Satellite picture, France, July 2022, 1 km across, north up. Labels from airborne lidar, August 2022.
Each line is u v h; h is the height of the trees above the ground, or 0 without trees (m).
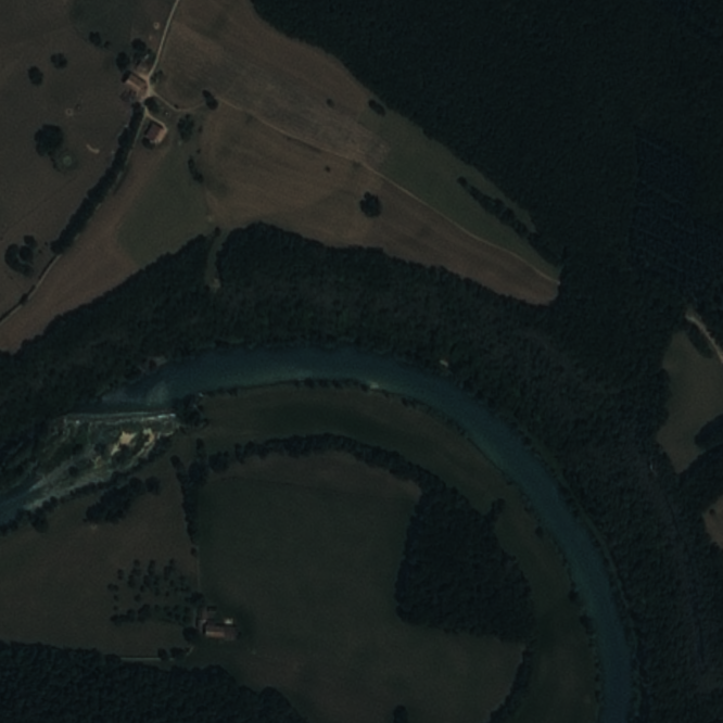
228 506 0
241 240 18
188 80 0
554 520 0
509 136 19
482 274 0
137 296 11
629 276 19
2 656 18
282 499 0
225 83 0
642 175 20
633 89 16
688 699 10
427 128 15
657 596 17
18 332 0
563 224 16
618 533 19
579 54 18
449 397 0
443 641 0
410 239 0
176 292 19
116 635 0
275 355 0
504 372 12
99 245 0
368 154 0
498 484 0
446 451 0
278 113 0
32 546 0
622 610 14
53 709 19
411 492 0
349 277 12
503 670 0
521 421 21
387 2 16
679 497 9
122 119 0
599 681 8
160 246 0
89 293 0
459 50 19
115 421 0
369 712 0
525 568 0
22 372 9
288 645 0
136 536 0
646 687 25
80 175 0
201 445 15
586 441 19
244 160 0
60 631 0
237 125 0
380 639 0
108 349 13
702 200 17
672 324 20
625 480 12
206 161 0
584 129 16
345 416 0
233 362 0
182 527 0
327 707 0
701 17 16
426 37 17
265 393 0
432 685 0
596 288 19
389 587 0
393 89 15
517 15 20
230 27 0
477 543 26
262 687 0
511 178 18
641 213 22
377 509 0
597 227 16
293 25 16
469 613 28
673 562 9
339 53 10
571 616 0
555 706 0
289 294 7
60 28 0
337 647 0
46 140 16
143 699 20
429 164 0
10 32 0
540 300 0
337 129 0
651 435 16
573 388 9
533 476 0
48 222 0
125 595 0
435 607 22
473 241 0
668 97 18
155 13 0
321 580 0
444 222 0
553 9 23
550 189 16
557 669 0
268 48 0
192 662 0
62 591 0
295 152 0
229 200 0
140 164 0
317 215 0
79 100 0
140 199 0
